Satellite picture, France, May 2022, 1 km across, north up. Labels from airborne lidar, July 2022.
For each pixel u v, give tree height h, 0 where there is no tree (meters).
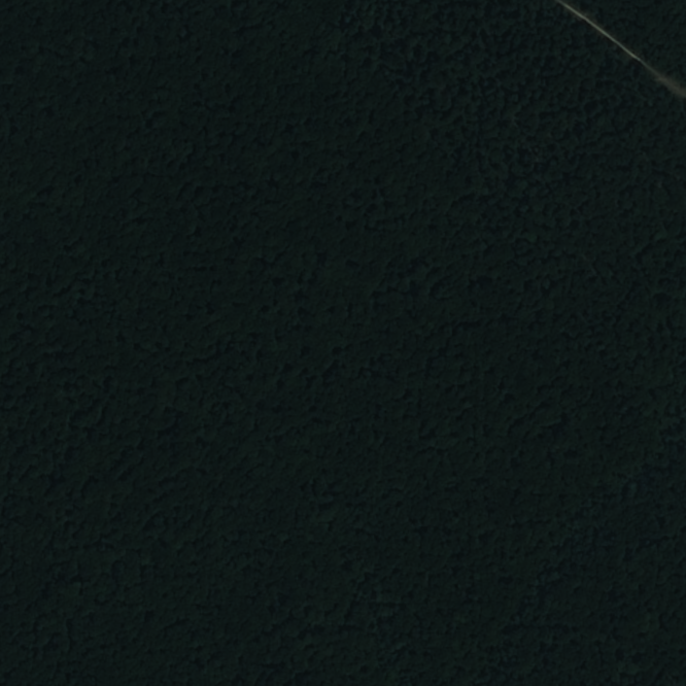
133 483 28
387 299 31
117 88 28
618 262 30
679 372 19
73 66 32
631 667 33
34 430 31
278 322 30
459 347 32
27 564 27
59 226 32
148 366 26
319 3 14
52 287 27
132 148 26
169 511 29
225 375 30
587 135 28
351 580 7
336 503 28
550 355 29
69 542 26
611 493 21
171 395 28
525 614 26
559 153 29
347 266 28
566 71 29
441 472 29
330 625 29
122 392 31
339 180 29
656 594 29
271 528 30
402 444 29
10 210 32
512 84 28
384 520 30
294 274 30
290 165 30
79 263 30
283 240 31
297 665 33
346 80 24
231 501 31
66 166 32
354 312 32
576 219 29
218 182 28
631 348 30
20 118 32
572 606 27
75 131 29
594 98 9
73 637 33
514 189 29
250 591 26
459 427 28
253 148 30
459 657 26
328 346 32
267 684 33
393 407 29
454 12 29
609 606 29
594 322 30
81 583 34
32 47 31
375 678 27
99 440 32
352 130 32
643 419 30
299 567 28
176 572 32
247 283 28
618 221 29
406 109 29
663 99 27
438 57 24
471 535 30
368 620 27
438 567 32
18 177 32
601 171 30
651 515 26
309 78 29
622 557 6
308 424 34
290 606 30
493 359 30
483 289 33
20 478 27
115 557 23
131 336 31
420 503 33
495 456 29
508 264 29
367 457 28
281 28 28
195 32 35
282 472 28
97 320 32
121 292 27
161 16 28
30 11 31
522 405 28
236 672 32
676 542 31
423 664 29
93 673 31
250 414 29
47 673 32
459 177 28
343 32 21
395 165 32
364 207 30
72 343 30
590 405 30
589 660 27
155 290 33
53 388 31
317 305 31
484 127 32
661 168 27
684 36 32
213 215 32
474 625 27
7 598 31
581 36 27
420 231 31
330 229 33
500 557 29
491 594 33
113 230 29
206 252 29
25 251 32
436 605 32
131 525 32
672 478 29
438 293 30
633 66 11
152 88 25
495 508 33
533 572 22
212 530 28
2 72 31
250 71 28
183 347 27
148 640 29
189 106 29
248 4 35
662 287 24
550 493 29
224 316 32
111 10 29
